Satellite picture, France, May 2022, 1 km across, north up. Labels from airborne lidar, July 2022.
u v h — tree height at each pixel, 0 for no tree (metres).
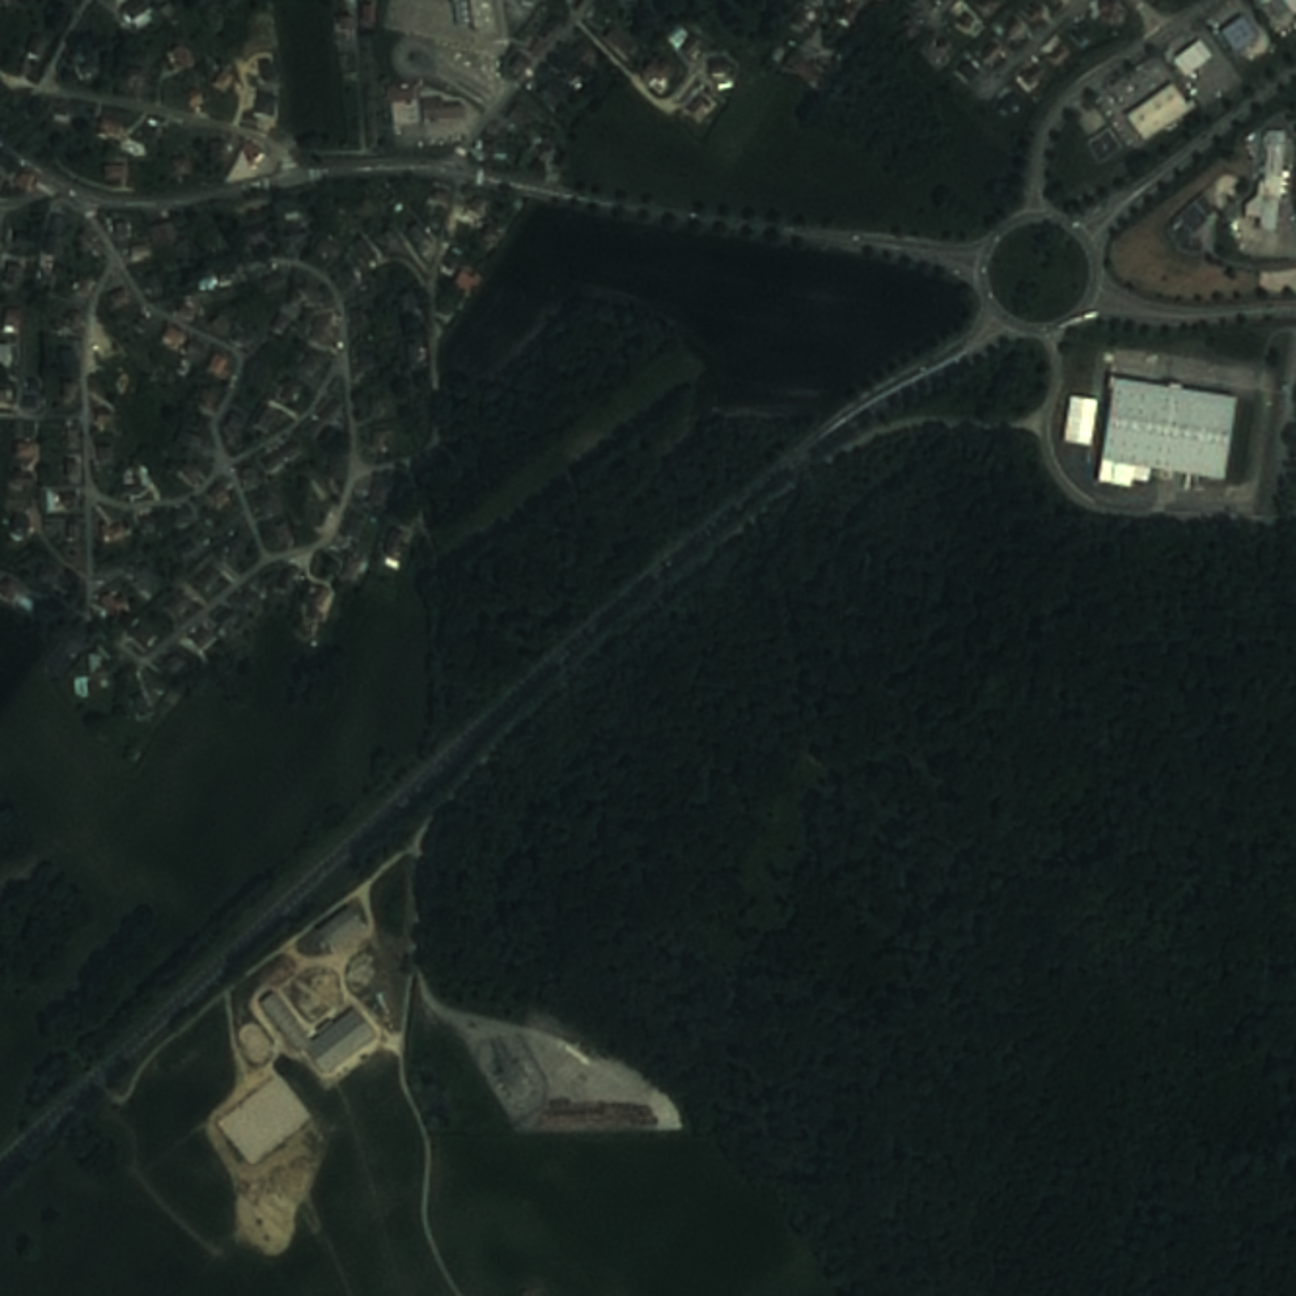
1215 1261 26
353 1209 0
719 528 12
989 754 26
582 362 21
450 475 24
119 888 0
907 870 26
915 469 13
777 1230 0
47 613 20
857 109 20
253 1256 0
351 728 0
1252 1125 11
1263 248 0
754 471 13
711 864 25
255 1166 0
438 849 22
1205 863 26
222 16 15
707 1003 24
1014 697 24
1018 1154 19
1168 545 20
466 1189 0
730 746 27
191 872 0
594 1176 0
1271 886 23
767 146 0
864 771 15
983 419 20
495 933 25
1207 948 26
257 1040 0
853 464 9
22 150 20
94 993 20
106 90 10
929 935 26
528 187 0
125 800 0
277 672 0
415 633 0
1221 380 0
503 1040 0
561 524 22
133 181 0
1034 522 26
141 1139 0
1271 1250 25
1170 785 26
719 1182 0
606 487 21
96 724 17
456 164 0
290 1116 0
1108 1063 19
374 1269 0
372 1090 0
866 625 25
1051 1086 20
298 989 0
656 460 13
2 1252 0
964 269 0
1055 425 0
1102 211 0
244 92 0
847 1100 22
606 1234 0
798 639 25
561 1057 0
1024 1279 27
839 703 27
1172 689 27
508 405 24
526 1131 0
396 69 0
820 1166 23
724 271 0
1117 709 23
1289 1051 24
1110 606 23
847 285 0
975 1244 20
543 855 28
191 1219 0
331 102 0
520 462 20
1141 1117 16
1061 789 18
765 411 0
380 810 0
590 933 25
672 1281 0
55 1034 20
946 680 27
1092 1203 23
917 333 0
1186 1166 21
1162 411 0
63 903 15
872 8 14
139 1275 0
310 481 8
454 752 0
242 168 0
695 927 25
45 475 12
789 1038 25
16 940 13
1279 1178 25
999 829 25
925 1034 19
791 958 13
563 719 21
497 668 22
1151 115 0
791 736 24
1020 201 11
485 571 24
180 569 9
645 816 21
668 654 25
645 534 21
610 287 0
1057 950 25
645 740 21
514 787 22
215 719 0
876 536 25
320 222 10
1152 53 10
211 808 0
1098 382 0
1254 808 26
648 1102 0
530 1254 0
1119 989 18
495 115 0
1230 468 0
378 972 0
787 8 18
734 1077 25
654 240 0
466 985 20
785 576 20
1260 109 11
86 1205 0
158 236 0
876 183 0
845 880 22
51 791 0
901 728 25
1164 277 0
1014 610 10
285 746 0
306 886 0
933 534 22
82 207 0
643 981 26
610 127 0
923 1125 31
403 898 0
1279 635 25
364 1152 0
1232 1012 16
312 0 14
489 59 0
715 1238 0
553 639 13
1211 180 0
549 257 0
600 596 20
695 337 0
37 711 0
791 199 0
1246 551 18
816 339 0
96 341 0
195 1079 0
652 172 0
